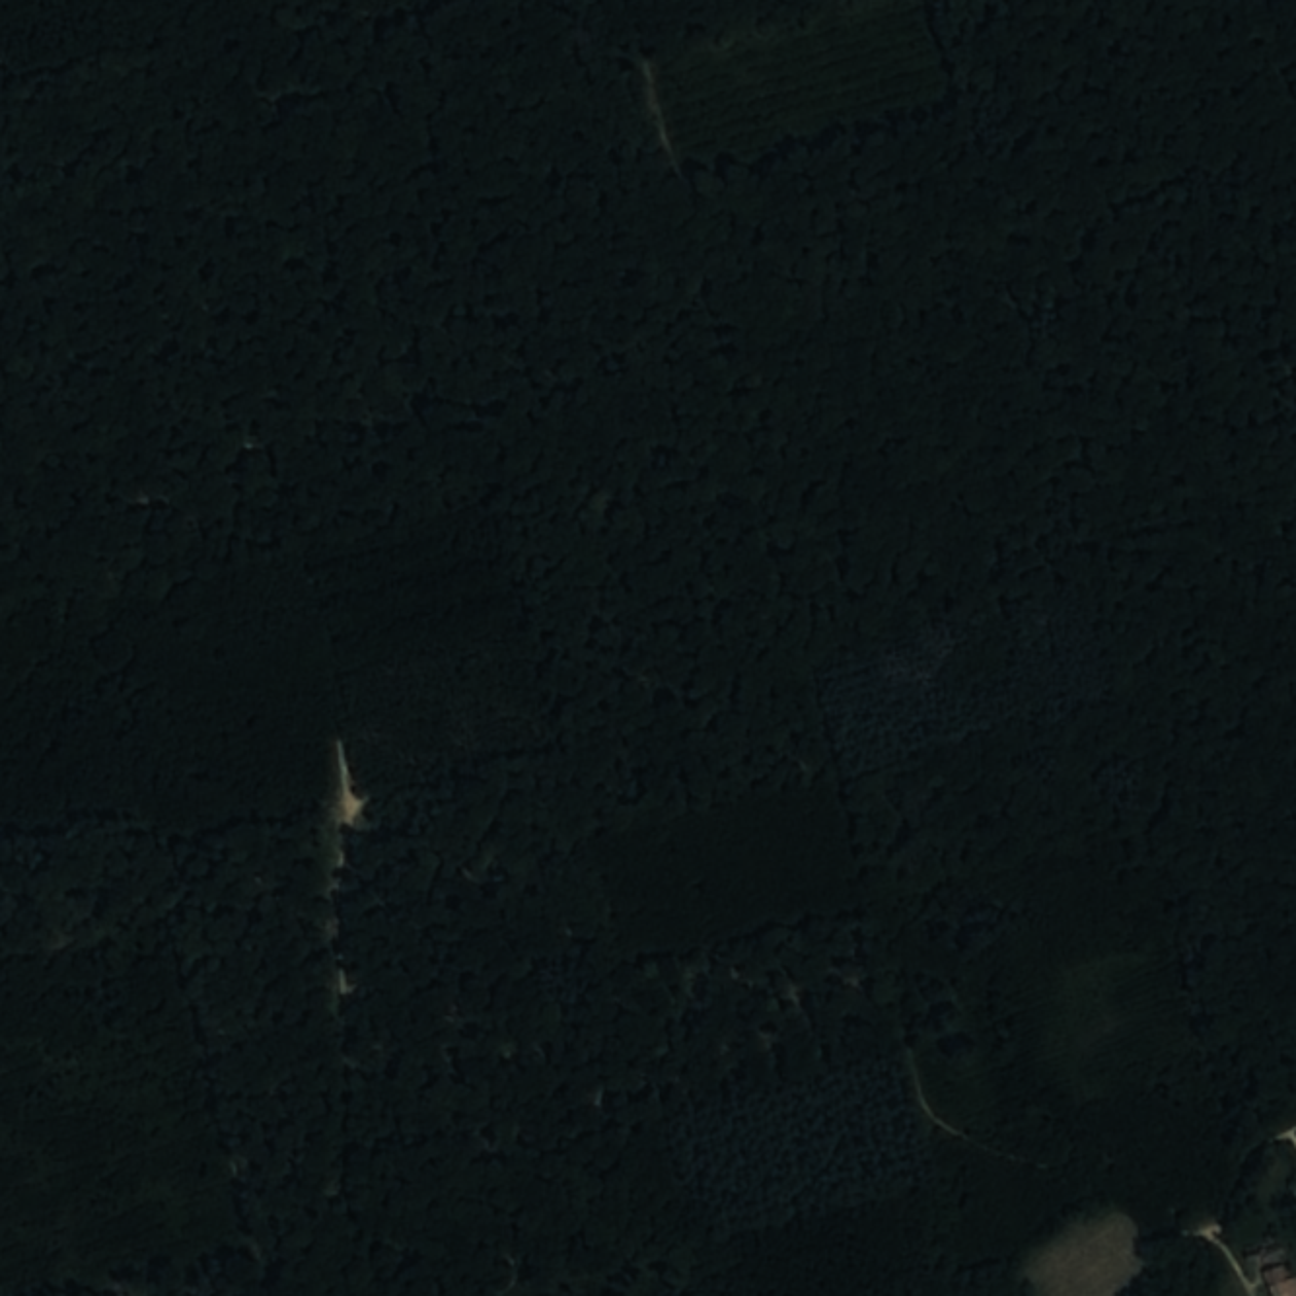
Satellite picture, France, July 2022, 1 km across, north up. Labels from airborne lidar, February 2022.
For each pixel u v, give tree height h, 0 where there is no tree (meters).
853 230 27
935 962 16
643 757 28
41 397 25
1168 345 26
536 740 10
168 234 28
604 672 27
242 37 27
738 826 13
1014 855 27
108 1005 13
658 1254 23
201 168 25
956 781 28
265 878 29
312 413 25
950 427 29
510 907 28
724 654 27
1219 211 25
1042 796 25
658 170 26
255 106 28
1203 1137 6
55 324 27
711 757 30
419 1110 27
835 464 25
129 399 26
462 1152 28
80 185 26
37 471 22
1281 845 26
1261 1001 28
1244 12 28
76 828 26
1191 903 28
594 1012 30
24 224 28
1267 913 28
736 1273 22
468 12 28
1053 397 25
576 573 28
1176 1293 30
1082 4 26
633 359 31
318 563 14
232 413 28
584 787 29
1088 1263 0
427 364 28
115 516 19
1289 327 27
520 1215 29
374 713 14
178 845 25
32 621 14
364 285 29
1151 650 18
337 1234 28
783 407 27
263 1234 30
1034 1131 9
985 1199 9
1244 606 24
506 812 30
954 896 15
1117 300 28
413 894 28
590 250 30
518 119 28
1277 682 26
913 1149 31
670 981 27
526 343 27
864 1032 28
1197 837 25
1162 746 26
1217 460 28
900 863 26
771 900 11
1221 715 26
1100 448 27
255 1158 29
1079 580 27
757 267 28
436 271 28
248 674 14
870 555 30
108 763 10
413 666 14
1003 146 18
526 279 28
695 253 28
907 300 27
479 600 14
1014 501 28
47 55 14
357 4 13
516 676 15
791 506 28
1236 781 27
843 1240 22
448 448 29
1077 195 27
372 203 24
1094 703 17
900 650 23
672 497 33
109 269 26
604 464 27
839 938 26
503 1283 29
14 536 23
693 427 28
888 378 28
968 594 28
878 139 29
